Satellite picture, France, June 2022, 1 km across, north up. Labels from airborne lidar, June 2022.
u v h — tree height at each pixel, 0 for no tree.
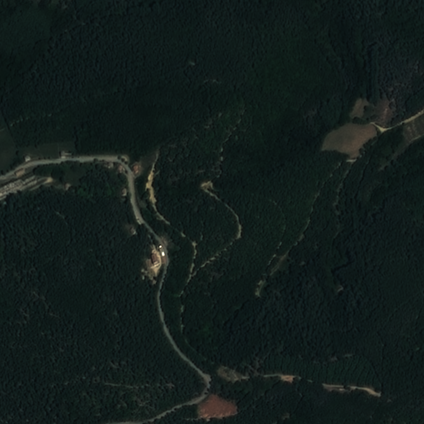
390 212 20
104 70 19
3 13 25
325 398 17
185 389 24
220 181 20
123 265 19
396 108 7
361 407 12
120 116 10
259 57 14
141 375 9
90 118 12
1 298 10
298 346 20
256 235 11
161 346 25
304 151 25
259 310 23
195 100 11
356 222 29
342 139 0
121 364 23
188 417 23
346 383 11
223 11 22
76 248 18
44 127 11
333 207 19
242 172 16
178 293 17
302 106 11
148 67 18
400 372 22
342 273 29
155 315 21
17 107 21
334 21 30
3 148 0
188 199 22
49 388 20
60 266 14
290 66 18
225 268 19
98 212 20
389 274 17
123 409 17
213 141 19
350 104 29
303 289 32
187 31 13
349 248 29
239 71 21
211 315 12
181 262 11
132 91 14
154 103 12
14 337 13
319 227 17
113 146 6
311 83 17
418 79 14
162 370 25
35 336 15
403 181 12
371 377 15
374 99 28
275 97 18
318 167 14
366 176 23
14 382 23
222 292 16
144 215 17
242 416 18
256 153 18
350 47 29
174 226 16
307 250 24
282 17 26
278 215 10
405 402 17
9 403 20
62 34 8
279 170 20
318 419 17
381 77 14
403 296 19
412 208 10
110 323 23
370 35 20
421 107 22
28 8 19
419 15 16
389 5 22
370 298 23
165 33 16
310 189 14
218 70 23
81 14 27
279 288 18
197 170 10
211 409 0
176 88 11
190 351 21
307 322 31
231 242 9
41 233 17
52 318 14
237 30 14
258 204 13
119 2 18
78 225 21
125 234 20
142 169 0
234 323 26
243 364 15
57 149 0
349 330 28
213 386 17
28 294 18
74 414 20
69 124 5
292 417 14
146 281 18
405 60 16
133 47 22
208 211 13
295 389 15
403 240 19
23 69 24
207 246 15
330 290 29
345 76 16
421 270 19
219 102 16
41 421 22
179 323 16
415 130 0
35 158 0
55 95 18
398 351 28
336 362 11
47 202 15
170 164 24
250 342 27
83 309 16
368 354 20
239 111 10
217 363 13
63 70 13
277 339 23
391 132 8
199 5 22
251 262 17
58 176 17
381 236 23
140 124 10
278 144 24
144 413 13
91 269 16
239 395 17
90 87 16
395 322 16
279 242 11
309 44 17
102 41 21
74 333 18
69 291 18
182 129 11
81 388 16
